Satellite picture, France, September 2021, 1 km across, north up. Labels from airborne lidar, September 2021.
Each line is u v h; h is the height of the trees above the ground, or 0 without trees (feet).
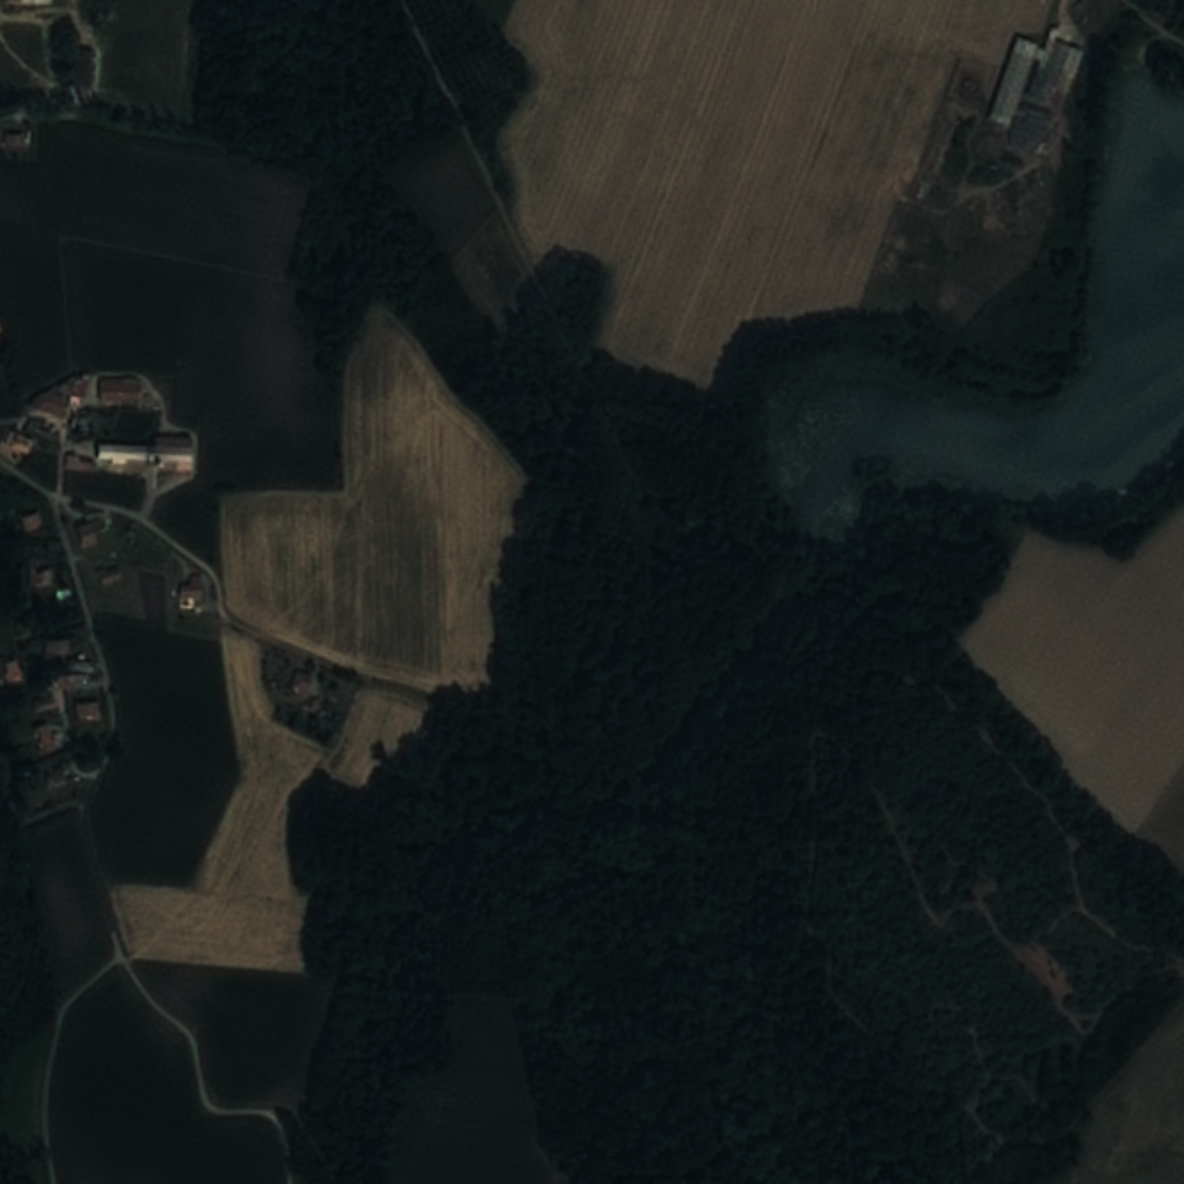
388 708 0
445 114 81
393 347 0
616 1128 88
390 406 0
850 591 69
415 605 0
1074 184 0
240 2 41
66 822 0
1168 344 0
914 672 37
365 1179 55
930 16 0
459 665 0
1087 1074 41
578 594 72
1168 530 0
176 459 0
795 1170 73
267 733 0
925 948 19
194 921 0
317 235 44
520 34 0
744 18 0
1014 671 0
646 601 74
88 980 0
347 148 81
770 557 96
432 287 20
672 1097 92
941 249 0
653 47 0
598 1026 70
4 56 0
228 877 0
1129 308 0
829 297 0
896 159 0
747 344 59
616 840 122
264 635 0
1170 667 0
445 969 35
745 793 82
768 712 70
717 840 78
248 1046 0
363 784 0
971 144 0
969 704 63
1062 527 67
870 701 38
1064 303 0
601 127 0
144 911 0
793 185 0
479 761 86
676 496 44
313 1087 66
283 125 63
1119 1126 0
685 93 0
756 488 70
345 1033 68
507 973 36
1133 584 0
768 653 76
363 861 75
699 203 0
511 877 85
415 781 78
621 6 0
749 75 0
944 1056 19
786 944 74
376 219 60
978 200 0
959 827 22
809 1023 48
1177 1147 0
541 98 0
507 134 0
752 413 73
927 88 0
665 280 0
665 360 0
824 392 0
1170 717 0
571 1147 61
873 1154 61
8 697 51
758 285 0
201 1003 0
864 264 0
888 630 74
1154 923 61
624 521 86
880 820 45
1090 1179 0
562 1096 75
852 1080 39
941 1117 58
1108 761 0
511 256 0
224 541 0
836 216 0
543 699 79
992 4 0
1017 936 18
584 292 69
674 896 85
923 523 43
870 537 61
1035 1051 24
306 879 49
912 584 59
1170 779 0
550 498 64
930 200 0
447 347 21
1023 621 0
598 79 0
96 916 0
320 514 0
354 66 69
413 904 96
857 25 0
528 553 77
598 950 41
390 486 0
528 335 48
